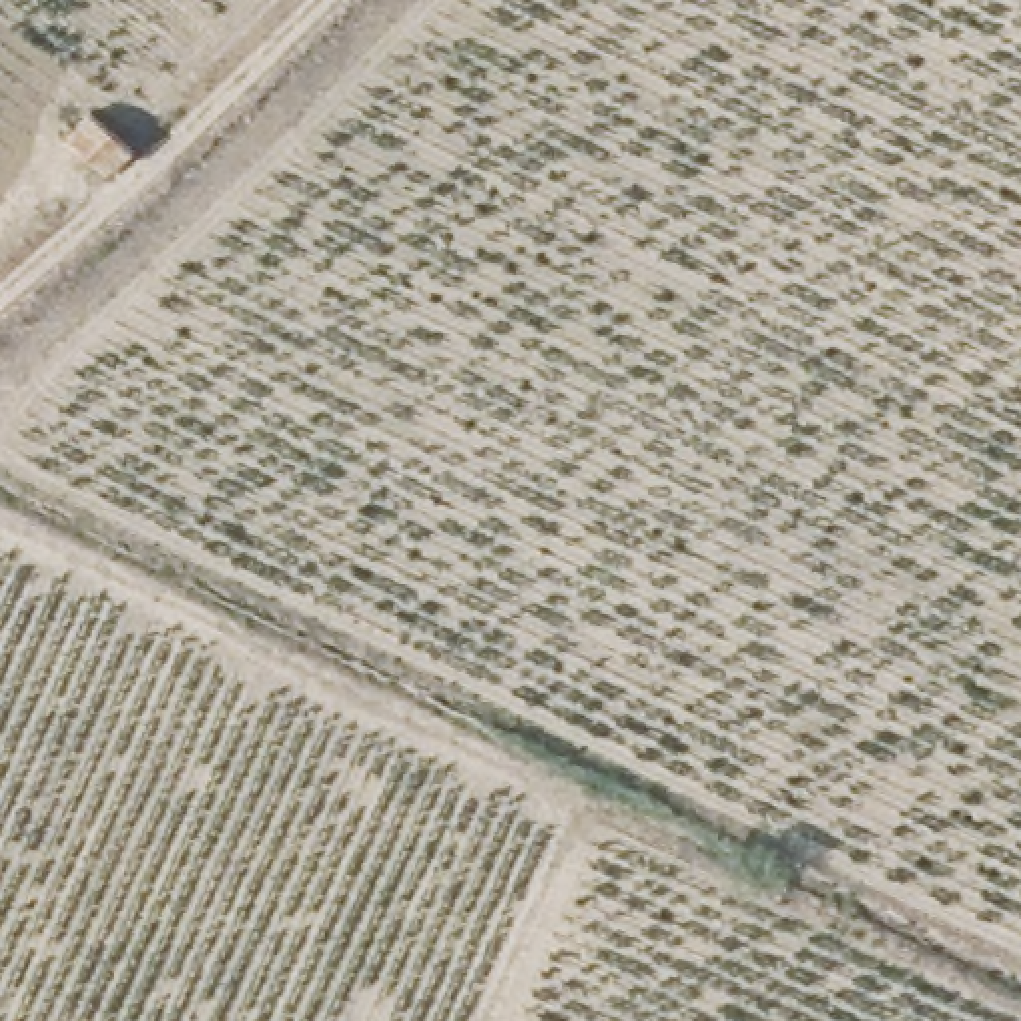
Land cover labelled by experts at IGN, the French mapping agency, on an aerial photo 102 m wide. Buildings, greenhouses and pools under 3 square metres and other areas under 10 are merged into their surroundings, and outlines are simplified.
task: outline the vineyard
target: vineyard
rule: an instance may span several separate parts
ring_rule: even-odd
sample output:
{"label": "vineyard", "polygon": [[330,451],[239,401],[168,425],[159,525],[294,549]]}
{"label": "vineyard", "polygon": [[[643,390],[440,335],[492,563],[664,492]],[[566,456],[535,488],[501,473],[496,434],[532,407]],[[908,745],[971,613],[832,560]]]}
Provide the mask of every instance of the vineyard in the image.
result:
{"label": "vineyard", "polygon": [[116,88],[112,76],[124,60],[132,68],[175,72],[175,60],[164,60],[156,48],[168,36],[164,12],[148,16],[132,0],[0,0],[0,203],[8,187],[20,179],[24,164],[32,160],[44,104],[56,96],[60,76],[72,64],[100,92]]}
{"label": "vineyard", "polygon": [[76,259],[60,263],[52,279],[36,283],[28,303],[16,299],[0,319],[0,507],[144,578],[168,582],[175,594],[223,614],[215,638],[195,638],[179,622],[160,626],[152,634],[124,634],[116,630],[116,622],[124,618],[128,602],[116,602],[104,590],[68,594],[72,574],[56,574],[52,594],[32,598],[24,594],[24,586],[32,582],[36,566],[28,566],[20,550],[0,546],[0,1021],[1021,1021],[1021,0],[351,0],[335,20],[307,36],[307,44],[295,56],[287,56],[275,68],[275,76],[255,92],[255,100],[235,104],[211,136],[199,136],[171,164],[171,171],[140,195],[136,211],[128,211],[120,227],[100,227],[96,243],[80,247]]}

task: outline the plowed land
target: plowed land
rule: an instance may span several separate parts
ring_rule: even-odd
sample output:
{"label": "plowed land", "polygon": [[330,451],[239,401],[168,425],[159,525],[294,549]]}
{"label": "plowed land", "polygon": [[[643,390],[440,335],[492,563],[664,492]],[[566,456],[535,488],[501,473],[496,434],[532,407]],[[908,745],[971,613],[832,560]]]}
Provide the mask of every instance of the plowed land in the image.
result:
{"label": "plowed land", "polygon": [[116,602],[128,602],[124,618],[116,622],[116,630],[124,634],[152,634],[160,626],[179,622],[195,638],[215,638],[223,614],[175,594],[168,582],[144,578],[0,507],[0,546],[20,550],[28,566],[36,566],[32,582],[24,586],[24,594],[32,598],[52,594],[56,574],[72,574],[68,594],[104,590]]}
{"label": "plowed land", "polygon": [[[255,100],[255,92],[275,76],[275,68],[287,56],[295,56],[307,44],[307,36],[335,20],[351,0],[132,0],[148,16],[164,12],[168,36],[156,48],[164,60],[175,60],[175,72],[132,68],[124,60],[112,76],[116,88],[100,92],[72,64],[60,76],[56,96],[44,104],[32,160],[24,164],[20,179],[8,187],[0,203],[0,319],[16,299],[28,303],[36,283],[52,279],[60,263],[76,259],[80,247],[96,243],[100,227],[120,227],[128,211],[136,211],[140,195],[171,171],[171,164],[199,136],[211,136],[235,104]],[[112,140],[96,156],[76,160],[76,148],[60,140],[60,124],[76,128],[88,120],[96,120]]]}

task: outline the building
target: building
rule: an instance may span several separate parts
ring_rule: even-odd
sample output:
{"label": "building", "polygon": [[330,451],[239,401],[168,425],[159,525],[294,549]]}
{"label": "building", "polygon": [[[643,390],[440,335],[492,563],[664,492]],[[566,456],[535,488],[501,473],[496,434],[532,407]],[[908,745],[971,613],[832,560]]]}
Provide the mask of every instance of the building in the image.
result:
{"label": "building", "polygon": [[60,140],[76,148],[76,160],[96,156],[112,140],[96,120],[88,120],[76,128],[60,124]]}

